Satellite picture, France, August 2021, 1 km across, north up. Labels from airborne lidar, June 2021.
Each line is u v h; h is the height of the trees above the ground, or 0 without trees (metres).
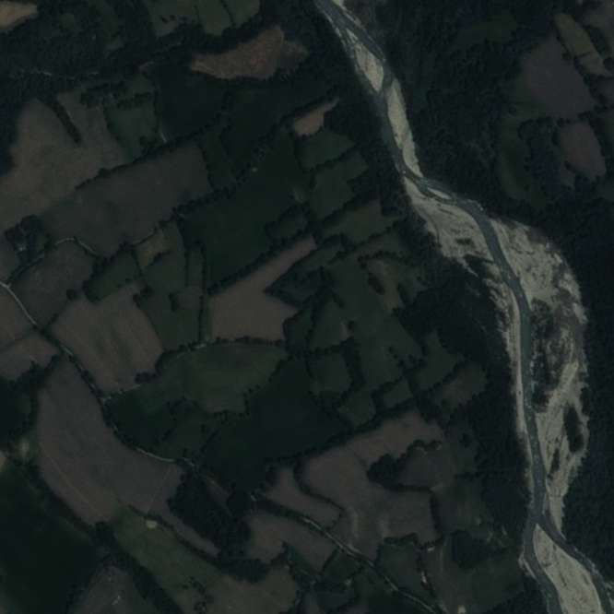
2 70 16
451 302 15
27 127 0
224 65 0
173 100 0
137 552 0
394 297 0
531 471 0
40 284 0
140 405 0
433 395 14
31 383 11
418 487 8
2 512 0
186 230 18
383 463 17
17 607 0
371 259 10
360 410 0
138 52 16
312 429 0
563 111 0
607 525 11
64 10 11
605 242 22
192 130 0
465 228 0
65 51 13
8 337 0
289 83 13
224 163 0
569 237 18
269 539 0
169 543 0
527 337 0
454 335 19
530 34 16
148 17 12
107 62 15
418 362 16
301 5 15
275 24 13
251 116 0
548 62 0
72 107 0
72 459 0
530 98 0
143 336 0
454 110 9
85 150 0
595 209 22
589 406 10
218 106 0
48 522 0
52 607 0
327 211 0
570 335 0
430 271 10
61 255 0
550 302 0
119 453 0
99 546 6
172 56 11
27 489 0
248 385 0
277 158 0
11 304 0
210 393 0
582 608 0
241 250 0
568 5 22
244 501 16
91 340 0
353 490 0
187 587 7
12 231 12
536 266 0
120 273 0
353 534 0
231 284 12
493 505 13
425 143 10
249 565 9
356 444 0
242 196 0
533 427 0
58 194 0
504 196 11
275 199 0
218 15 0
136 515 0
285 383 0
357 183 14
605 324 15
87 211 0
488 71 17
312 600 0
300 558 0
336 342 0
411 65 5
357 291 0
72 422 0
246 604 0
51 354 0
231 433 0
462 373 14
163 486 0
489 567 0
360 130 18
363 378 17
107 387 0
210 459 0
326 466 0
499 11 19
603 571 7
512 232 0
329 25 18
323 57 16
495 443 18
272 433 0
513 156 0
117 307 0
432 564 0
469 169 17
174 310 10
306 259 8
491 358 12
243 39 14
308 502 0
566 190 17
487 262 6
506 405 13
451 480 0
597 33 18
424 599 8
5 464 0
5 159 12
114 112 0
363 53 0
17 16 0
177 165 0
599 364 14
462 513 0
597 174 0
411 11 6
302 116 13
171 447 0
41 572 0
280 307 0
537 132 17
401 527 0
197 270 0
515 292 0
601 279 24
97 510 0
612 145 9
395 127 0
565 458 0
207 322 0
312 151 0
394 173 14
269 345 10
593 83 20
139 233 0
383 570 11
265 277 0
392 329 0
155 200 0
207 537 13
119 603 0
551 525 0
